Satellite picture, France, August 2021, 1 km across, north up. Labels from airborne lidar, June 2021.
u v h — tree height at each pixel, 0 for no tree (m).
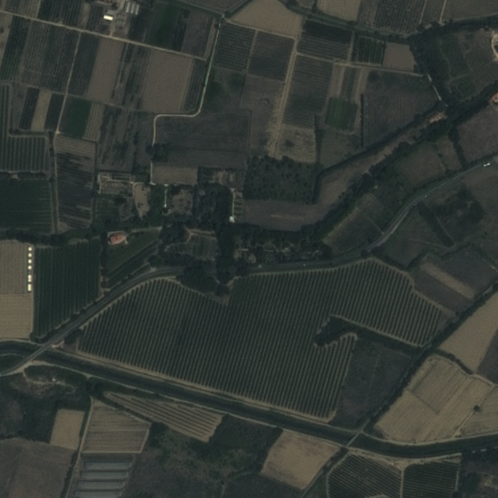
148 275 0
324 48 0
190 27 0
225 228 24
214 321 6
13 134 8
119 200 7
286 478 0
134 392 9
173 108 0
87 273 6
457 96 7
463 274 0
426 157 0
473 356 0
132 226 6
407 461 0
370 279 6
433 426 0
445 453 0
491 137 0
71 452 0
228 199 7
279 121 0
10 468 0
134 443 0
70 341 11
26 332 0
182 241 7
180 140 0
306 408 6
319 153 0
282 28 0
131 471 0
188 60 0
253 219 0
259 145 0
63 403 6
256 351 6
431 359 0
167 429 6
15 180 11
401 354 0
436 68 17
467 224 0
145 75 0
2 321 0
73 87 0
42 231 5
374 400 0
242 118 0
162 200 5
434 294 0
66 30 0
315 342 9
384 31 0
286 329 6
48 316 6
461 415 0
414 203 0
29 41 0
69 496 0
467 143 0
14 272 0
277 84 0
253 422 0
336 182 0
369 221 0
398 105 0
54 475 0
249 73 0
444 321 0
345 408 0
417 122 17
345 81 0
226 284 18
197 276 26
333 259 6
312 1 0
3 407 0
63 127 0
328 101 0
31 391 0
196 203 12
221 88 0
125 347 6
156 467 0
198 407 0
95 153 0
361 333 14
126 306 7
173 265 17
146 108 0
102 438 0
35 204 6
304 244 10
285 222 0
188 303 6
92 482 0
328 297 7
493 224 0
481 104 9
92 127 0
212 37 0
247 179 7
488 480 0
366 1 0
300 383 6
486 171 0
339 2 0
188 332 7
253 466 9
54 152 11
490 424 0
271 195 6
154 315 6
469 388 0
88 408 7
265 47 0
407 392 0
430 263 0
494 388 0
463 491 11
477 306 11
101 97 0
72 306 6
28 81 0
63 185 0
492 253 0
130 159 0
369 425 6
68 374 6
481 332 0
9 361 7
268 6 0
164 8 0
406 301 6
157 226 6
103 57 0
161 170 0
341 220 24
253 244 9
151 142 0
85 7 0
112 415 0
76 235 6
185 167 0
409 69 0
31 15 0
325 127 0
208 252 0
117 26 0
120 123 0
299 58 0
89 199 0
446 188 0
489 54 0
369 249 0
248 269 13
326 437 0
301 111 0
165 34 0
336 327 12
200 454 7
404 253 0
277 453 0
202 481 0
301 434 0
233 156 0
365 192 10
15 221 5
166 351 6
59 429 0
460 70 0
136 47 0
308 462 0
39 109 0
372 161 0
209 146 0
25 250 0
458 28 7
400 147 12
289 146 0
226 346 6
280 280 6
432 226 9
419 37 8
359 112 0
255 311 7
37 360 0
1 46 0
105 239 13
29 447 0
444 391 0
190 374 6
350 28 6
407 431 0
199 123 0
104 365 0
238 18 0
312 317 6
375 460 0
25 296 0
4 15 0
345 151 0
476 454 9
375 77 0
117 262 0
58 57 0
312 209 0
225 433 6
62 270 5
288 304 6
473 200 0
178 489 0
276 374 6
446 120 6
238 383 7
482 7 0
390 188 6
